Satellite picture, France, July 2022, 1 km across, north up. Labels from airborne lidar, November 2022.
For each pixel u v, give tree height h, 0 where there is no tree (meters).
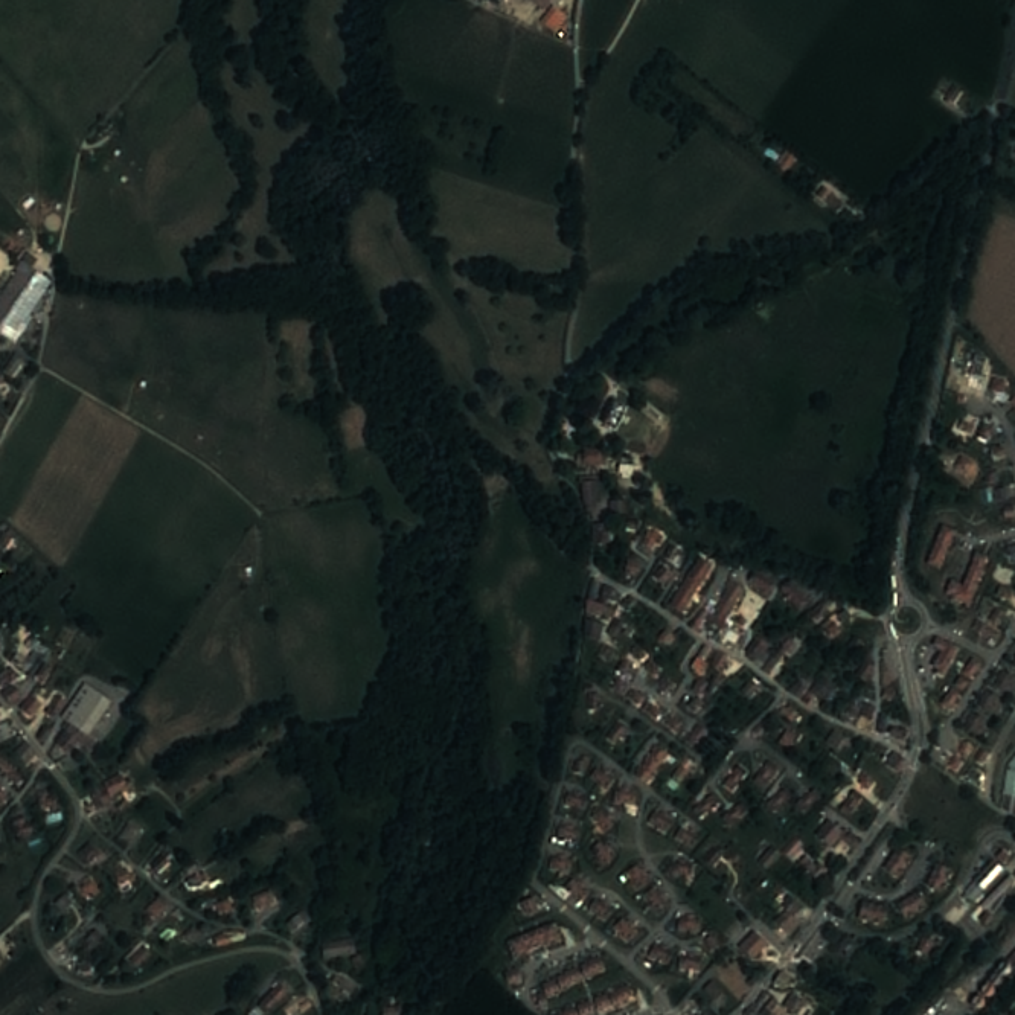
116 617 0
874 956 10
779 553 23
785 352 0
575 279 18
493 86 0
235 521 0
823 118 0
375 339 25
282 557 0
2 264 0
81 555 0
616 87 0
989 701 0
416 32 0
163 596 0
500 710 0
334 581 0
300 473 0
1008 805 0
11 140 0
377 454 15
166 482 0
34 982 0
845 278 0
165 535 0
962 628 0
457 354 0
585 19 0
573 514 15
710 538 0
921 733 0
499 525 0
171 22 0
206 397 0
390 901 14
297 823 0
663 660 8
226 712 0
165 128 0
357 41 26
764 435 0
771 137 11
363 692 0
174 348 0
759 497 0
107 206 0
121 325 0
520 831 19
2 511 0
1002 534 0
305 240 26
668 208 0
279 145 0
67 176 0
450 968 22
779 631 13
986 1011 17
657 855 0
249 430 0
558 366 0
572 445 26
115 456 0
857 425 0
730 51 0
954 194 17
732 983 0
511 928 0
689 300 17
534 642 0
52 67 0
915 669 0
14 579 7
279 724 12
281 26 31
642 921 0
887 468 15
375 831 0
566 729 15
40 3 0
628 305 0
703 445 0
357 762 23
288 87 24
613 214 0
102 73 0
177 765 27
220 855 7
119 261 0
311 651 0
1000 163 6
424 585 32
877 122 0
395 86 14
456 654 23
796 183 15
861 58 0
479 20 0
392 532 7
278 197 17
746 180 0
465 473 23
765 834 0
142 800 6
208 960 0
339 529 0
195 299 24
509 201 0
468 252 0
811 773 7
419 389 19
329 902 22
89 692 0
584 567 15
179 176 0
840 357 0
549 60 0
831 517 0
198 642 0
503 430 0
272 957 0
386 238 0
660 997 0
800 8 0
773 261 17
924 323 13
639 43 0
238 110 0
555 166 0
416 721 19
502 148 11
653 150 0
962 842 0
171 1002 0
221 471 0
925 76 0
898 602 0
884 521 10
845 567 9
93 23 0
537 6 0
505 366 0
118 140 0
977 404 0
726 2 0
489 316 0
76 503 0
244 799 0
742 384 0
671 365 0
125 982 12
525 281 16
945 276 16
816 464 0
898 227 9
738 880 0
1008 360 0
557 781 13
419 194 21
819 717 9
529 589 0
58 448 0
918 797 0
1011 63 0
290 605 0
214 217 0
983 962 21
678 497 21
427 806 26
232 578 0
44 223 0
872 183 0
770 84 0
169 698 0
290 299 24
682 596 0
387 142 26
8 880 0
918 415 22
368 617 0
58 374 0
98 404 0
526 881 19
